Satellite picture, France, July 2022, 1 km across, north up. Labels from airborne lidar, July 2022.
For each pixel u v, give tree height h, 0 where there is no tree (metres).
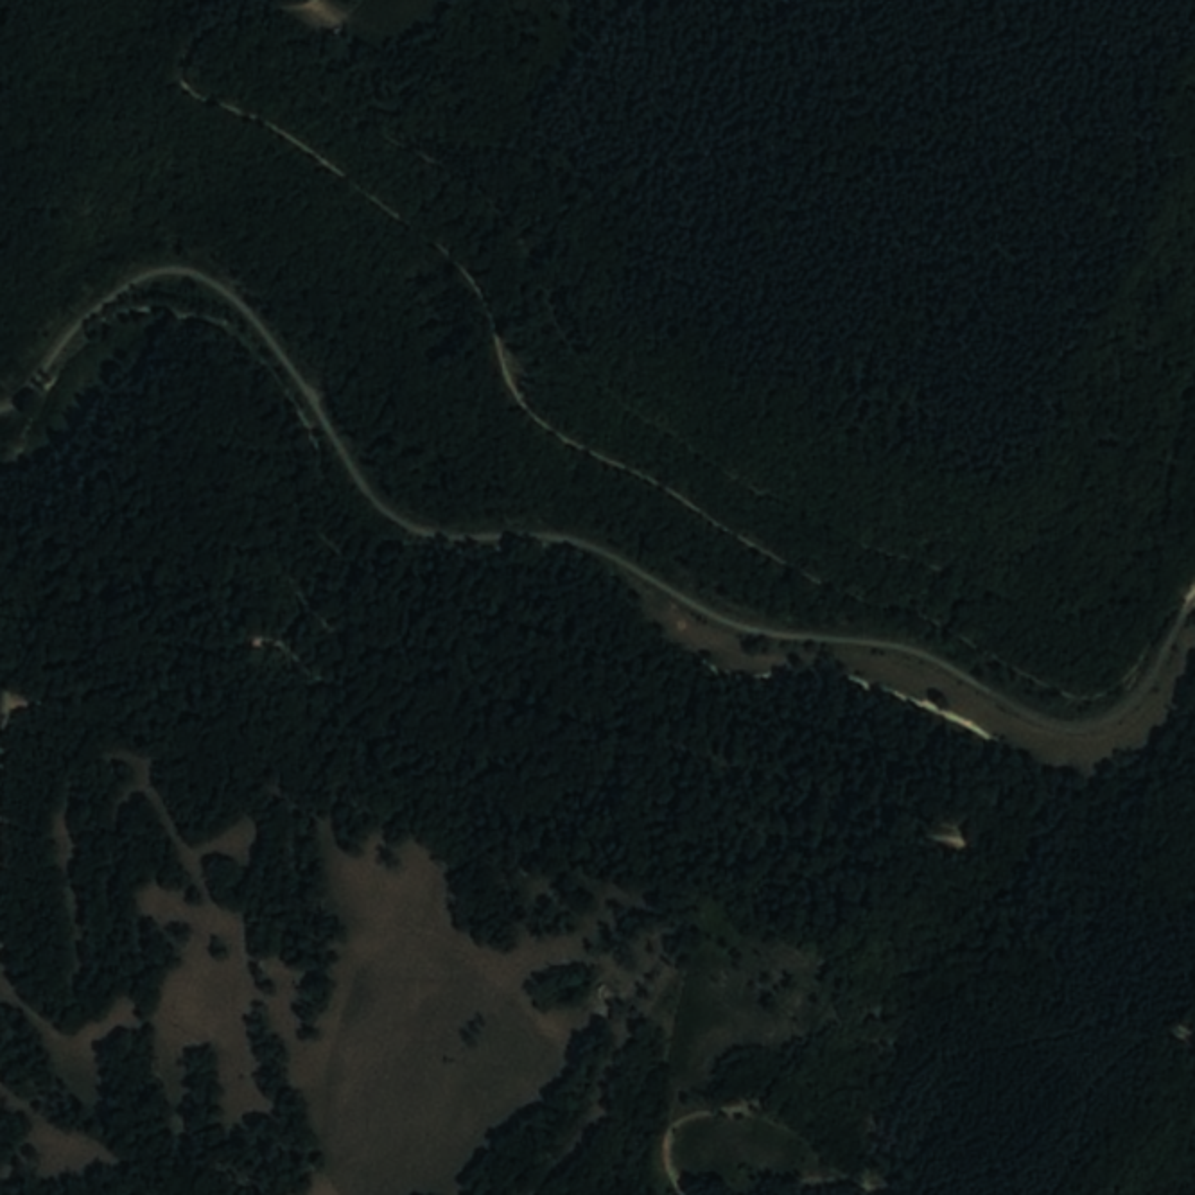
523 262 24
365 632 30
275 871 19
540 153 9
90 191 8
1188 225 19
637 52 27
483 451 19
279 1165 21
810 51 27
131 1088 18
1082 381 16
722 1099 17
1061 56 27
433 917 0
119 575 19
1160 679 0
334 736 26
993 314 25
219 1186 19
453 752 19
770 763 21
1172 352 25
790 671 7
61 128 22
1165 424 20
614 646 21
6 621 23
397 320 22
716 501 17
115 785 17
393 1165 0
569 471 21
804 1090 18
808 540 25
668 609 0
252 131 21
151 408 21
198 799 24
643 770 30
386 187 18
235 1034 0
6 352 26
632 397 19
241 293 5
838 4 29
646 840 27
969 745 20
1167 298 31
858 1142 22
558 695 30
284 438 8
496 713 31
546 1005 13
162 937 22
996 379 25
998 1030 19
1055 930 31
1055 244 26
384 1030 0
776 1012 20
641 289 26
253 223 27
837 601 22
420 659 24
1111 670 16
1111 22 28
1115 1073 20
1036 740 0
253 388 27
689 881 23
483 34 16
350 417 23
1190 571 33
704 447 18
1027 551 11
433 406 20
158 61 18
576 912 23
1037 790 30
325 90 15
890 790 28
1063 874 31
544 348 20
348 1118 0
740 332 28
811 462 15
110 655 30
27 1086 20
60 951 18
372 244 20
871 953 27
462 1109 0
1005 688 23
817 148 29
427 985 0
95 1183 17
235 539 21
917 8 31
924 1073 29
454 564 24
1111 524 18
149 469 28
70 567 31
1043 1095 22
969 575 18
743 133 30
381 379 27
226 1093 7
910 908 19
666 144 28
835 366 20
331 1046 0
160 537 26
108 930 21
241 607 23
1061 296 26
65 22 20
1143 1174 11
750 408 17
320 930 28
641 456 19
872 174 28
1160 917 17
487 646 26
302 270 24
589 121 21
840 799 12
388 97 19
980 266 26
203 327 21
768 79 27
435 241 25
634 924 19
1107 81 30
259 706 20
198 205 20
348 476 18
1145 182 16
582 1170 24
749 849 28
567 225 22
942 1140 24
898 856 24
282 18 19
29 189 21
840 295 19
